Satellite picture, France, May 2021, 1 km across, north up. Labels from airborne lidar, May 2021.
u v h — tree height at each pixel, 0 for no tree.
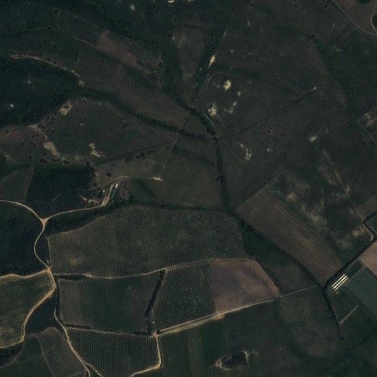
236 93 0
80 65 0
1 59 8
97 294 0
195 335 0
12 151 0
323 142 0
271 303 0
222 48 0
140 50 0
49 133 0
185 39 0
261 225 0
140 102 0
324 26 0
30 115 8
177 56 0
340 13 0
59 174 7
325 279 0
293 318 0
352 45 0
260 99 0
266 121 0
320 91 0
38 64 10
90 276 0
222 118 0
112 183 0
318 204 0
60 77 6
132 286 0
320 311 0
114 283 0
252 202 0
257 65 0
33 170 0
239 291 0
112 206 10
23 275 9
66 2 9
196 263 0
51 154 0
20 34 9
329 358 0
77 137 0
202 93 0
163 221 0
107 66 0
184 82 0
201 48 0
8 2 9
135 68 0
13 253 9
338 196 0
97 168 0
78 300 0
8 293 0
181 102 6
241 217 0
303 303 0
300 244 0
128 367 0
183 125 0
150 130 0
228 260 0
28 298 0
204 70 0
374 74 0
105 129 0
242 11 0
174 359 0
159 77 0
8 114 7
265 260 0
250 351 0
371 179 0
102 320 0
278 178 0
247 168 0
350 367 0
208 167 0
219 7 0
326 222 0
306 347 0
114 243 0
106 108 0
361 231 0
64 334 0
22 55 0
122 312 0
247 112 0
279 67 0
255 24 0
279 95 0
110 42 0
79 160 0
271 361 0
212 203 0
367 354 0
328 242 0
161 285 15
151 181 0
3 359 19
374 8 0
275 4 0
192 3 0
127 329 0
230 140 0
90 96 9
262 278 0
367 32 0
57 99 7
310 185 0
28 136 0
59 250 0
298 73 0
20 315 0
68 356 0
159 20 0
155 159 0
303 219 0
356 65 0
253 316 0
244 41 0
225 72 0
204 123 13
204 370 0
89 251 0
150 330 12
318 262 0
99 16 6
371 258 0
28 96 11
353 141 0
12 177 0
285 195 0
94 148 0
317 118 0
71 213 0
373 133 0
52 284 0
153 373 0
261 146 0
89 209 0
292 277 0
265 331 0
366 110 0
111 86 0
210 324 0
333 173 0
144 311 0
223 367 0
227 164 0
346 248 0
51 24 6
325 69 0
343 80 0
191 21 0
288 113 0
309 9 0
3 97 8
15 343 0
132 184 0
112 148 0
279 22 0
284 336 0
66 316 0
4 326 0
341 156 0
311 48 0
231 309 0
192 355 0
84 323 0
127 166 0
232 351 0
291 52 0
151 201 0
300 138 0
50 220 6
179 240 0
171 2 0
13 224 8
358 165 0
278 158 0
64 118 0
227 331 0
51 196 6
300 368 0
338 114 0
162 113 0
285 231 0
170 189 0
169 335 0
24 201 0
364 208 0
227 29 0
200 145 0
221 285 0
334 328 0
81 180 5
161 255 0
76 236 0
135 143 0
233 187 0
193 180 0
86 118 0
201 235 0
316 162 0
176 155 0
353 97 0
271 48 0
